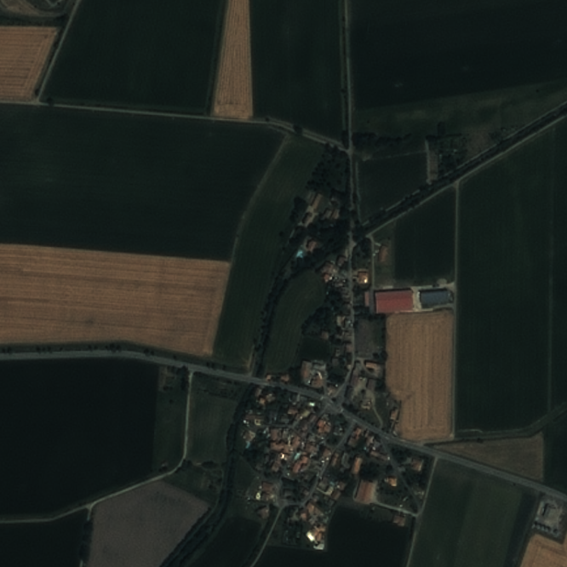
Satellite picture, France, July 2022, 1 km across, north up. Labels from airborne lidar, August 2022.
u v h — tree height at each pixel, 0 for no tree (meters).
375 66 0
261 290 0
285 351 0
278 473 8
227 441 7
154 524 0
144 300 0
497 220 0
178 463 0
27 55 0
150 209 0
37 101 0
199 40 0
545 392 0
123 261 0
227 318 0
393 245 0
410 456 8
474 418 0
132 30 0
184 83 0
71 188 0
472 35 0
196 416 0
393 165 0
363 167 0
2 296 0
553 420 0
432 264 0
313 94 0
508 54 0
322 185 9
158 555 0
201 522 7
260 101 0
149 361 0
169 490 0
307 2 0
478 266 0
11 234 0
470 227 0
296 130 14
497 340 0
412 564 0
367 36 0
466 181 0
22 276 0
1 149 0
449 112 0
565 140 0
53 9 0
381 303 0
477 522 0
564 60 0
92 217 0
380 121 0
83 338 0
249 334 0
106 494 0
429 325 0
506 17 0
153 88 0
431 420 0
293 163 0
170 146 0
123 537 0
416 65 0
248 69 0
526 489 0
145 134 0
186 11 0
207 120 0
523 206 0
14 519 0
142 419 0
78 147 0
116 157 0
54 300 0
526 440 0
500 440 0
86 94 0
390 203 0
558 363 0
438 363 0
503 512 0
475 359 0
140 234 0
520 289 0
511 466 0
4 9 0
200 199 0
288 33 0
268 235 0
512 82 0
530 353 0
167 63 0
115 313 0
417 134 0
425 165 0
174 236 0
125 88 0
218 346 0
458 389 0
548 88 0
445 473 0
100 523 0
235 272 0
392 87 0
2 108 0
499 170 0
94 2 0
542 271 0
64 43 0
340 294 11
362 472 7
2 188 0
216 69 0
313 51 0
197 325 0
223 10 0
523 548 0
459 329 0
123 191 0
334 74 0
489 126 0
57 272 0
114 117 0
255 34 0
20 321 0
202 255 0
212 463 7
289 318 0
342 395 0
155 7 0
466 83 0
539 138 0
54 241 0
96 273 0
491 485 0
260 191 0
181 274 0
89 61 0
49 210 0
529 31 0
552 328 0
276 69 0
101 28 0
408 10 0
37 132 0
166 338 0
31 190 0
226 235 0
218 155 0
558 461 0
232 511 0
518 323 0
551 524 0
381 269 0
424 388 0
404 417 0
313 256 10
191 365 0
